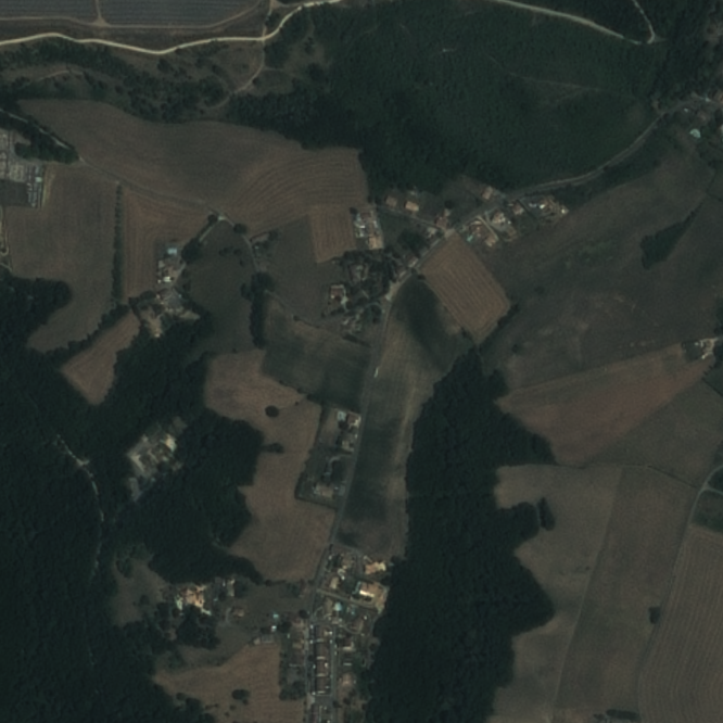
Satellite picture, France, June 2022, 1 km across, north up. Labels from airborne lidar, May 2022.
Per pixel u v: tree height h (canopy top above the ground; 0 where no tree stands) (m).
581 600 0
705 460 0
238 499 13
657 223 0
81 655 15
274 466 0
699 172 0
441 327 0
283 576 0
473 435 19
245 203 0
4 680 19
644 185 0
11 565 11
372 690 15
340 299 8
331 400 0
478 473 21
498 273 0
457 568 33
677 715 0
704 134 10
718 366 8
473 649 32
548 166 8
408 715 25
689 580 0
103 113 0
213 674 0
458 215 0
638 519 0
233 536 14
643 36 12
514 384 0
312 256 0
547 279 0
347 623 0
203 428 21
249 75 0
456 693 29
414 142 8
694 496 0
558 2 10
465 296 0
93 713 22
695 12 14
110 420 14
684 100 14
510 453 15
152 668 9
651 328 0
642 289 0
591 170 9
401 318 0
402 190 9
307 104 18
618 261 0
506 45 8
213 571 15
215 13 0
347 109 6
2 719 24
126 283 0
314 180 0
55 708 15
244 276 0
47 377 14
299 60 0
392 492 0
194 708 16
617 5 17
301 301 0
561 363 0
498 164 9
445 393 22
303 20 8
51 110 0
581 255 0
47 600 16
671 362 0
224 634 0
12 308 25
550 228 0
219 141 0
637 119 0
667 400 0
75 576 13
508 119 7
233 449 23
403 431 0
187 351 15
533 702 0
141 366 13
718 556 0
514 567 20
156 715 25
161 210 0
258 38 0
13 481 17
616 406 0
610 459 0
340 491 0
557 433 0
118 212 7
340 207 0
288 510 0
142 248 0
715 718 0
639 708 0
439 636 28
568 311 0
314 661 10
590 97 8
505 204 7
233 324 0
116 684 20
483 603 11
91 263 0
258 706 0
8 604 16
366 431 0
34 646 21
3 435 19
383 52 9
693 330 0
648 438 0
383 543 0
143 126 0
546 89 0
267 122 13
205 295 0
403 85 7
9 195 0
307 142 6
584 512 0
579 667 0
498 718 0
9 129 14
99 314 0
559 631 0
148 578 0
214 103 12
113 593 11
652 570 0
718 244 0
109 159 0
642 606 0
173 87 7
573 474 0
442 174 7
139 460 0
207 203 0
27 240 0
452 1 8
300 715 0
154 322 0
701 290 0
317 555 0
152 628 11
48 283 10
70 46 7
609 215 0
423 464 19
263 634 9
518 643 0
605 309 0
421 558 17
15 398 18
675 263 0
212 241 0
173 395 26
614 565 0
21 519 18
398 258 9
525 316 0
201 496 21
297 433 0
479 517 25
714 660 0
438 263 0
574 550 0
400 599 19
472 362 12
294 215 0
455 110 6
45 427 13
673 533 0
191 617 15
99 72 6
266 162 0
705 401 0
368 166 10
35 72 0
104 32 0
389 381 0
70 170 0
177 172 0
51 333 0
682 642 0
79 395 7
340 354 0
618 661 0
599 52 7
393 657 22
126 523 20
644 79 8
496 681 17
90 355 0
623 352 0
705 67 19
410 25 9
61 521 18
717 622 0
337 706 10
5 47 0
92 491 16
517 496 0
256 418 0
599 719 11
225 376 0
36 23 0
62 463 8
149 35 0
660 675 0
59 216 0
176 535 20
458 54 5
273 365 0
